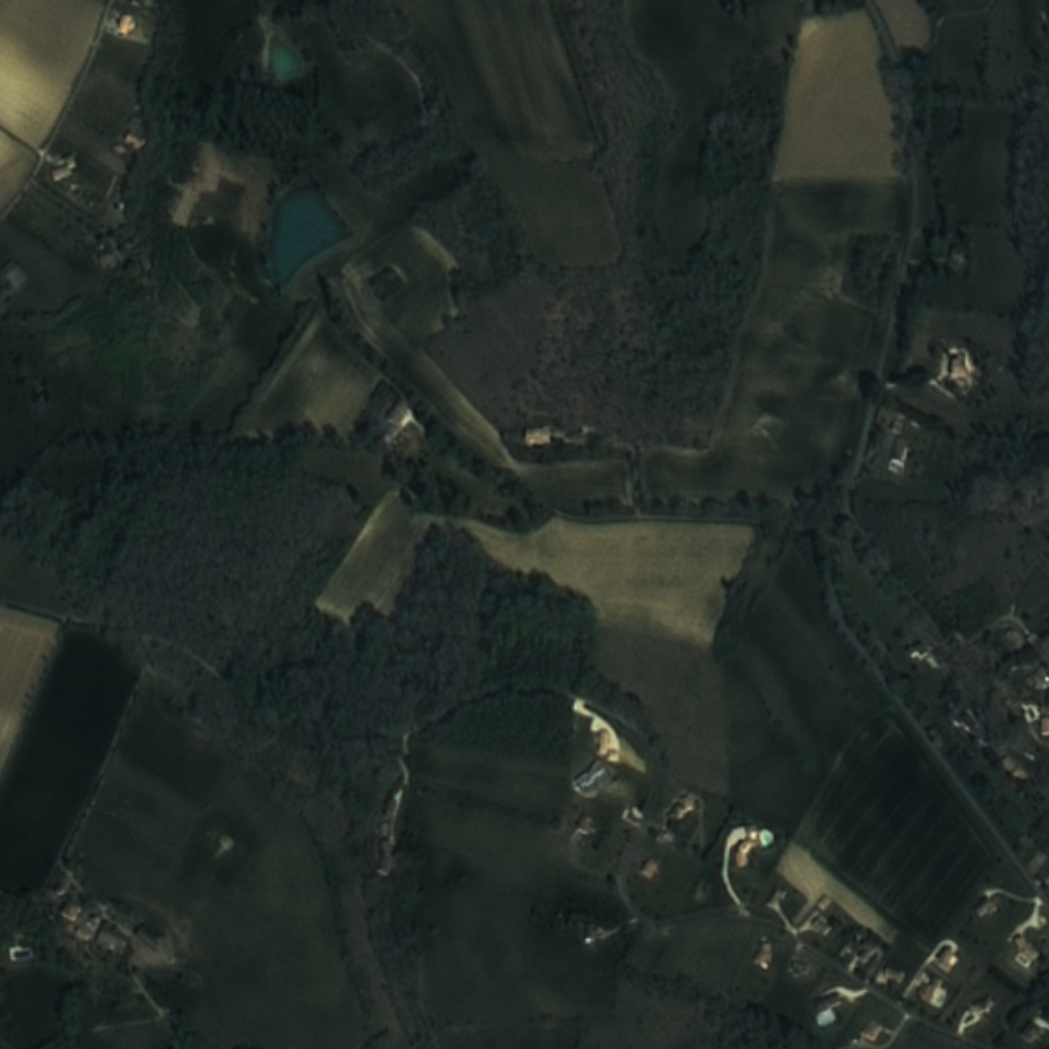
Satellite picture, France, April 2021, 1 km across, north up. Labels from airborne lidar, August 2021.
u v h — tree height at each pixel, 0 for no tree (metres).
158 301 7
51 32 0
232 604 14
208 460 22
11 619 0
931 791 0
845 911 0
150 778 0
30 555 16
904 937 0
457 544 21
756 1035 11
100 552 9
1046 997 8
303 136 15
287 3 0
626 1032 0
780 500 0
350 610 0
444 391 0
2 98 0
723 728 0
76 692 0
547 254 0
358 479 0
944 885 0
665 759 9
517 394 11
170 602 21
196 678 17
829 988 0
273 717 27
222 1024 0
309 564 15
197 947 0
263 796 0
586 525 0
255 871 0
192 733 0
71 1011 14
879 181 0
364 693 26
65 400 0
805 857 0
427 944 0
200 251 0
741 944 0
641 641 0
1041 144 16
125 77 0
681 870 0
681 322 13
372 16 22
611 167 12
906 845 0
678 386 25
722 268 21
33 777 0
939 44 0
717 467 0
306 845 0
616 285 15
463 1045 0
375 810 6
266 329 0
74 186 0
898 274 22
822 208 0
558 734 12
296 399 0
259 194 0
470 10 0
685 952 0
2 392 0
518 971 0
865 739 0
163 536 23
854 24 0
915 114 19
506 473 8
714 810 0
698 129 0
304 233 0
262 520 25
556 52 0
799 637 0
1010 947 0
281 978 0
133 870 0
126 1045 0
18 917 13
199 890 0
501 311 0
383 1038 8
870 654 21
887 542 8
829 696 0
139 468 31
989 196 0
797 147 0
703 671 0
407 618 20
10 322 15
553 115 0
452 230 18
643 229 12
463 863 0
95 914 18
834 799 0
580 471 0
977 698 15
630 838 6
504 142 0
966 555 0
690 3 0
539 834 0
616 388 16
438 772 0
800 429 0
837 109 0
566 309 6
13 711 0
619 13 21
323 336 0
